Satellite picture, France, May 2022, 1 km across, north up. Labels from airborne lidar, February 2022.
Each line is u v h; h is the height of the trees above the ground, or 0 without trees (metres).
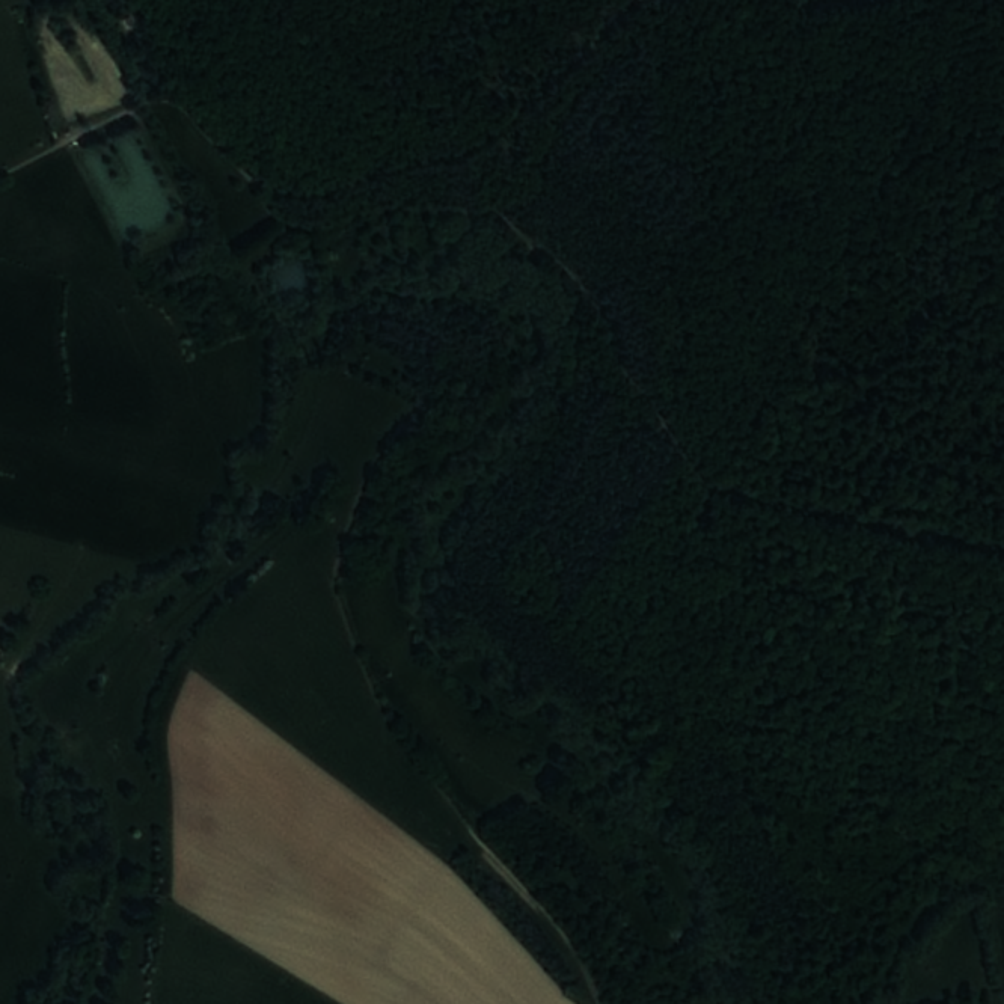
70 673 0
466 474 22
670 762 10
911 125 28
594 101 31
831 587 33
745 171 27
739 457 30
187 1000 0
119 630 0
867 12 26
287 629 0
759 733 24
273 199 21
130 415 0
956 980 0
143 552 0
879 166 27
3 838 0
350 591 0
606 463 22
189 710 0
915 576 31
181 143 0
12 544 0
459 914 0
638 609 22
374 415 0
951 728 29
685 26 19
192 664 0
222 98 23
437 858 0
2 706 0
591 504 24
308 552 0
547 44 22
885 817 31
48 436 0
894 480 29
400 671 0
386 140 20
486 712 23
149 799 0
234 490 19
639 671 28
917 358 21
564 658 18
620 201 20
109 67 0
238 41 20
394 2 21
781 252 24
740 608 22
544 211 16
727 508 27
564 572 26
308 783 0
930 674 28
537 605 22
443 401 21
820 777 27
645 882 13
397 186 23
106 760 0
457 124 21
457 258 24
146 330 0
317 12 20
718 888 19
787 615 33
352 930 0
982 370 32
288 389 19
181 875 0
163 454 0
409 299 16
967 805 30
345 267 0
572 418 23
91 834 31
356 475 0
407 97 20
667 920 24
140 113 16
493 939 0
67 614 0
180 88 22
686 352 23
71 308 0
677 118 23
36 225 0
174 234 0
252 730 0
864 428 33
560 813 0
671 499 24
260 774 0
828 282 24
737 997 24
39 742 15
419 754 19
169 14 21
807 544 30
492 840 12
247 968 0
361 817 0
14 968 0
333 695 0
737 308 26
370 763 0
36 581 9
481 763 0
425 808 0
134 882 21
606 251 21
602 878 13
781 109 29
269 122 23
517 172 23
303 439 0
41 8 25
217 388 0
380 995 0
